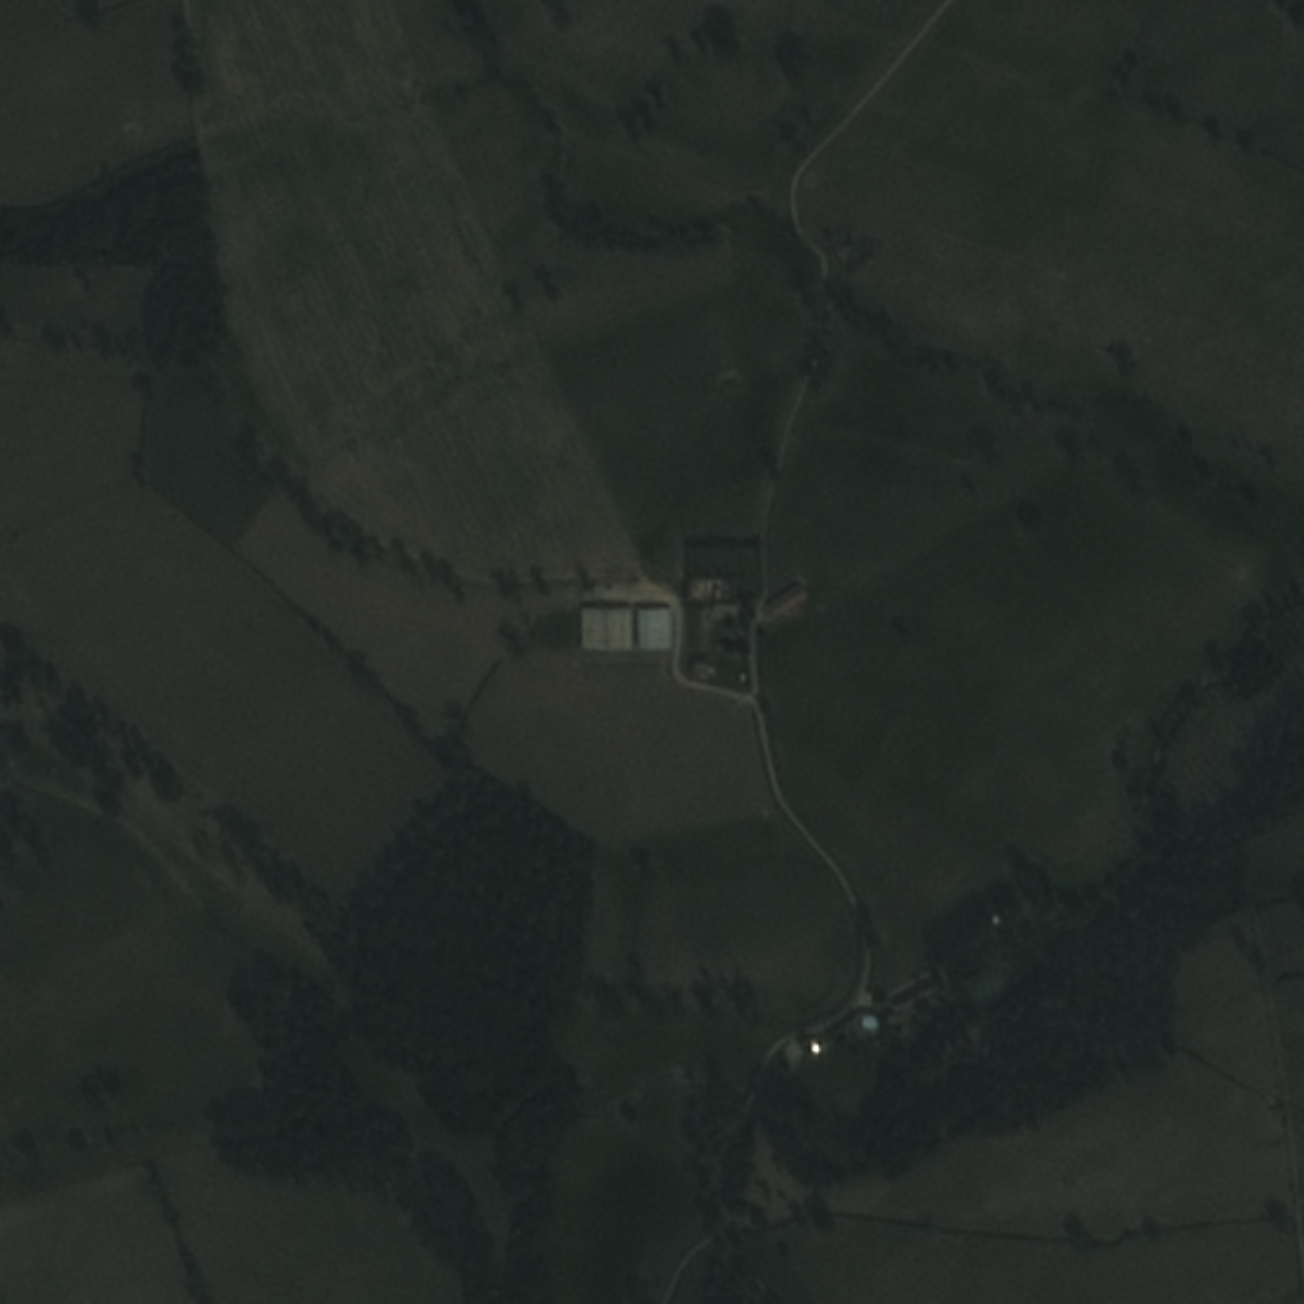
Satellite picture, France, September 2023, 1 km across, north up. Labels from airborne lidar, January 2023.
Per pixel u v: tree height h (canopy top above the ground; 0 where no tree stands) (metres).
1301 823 0
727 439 0
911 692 0
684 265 0
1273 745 15
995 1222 0
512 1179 17
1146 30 0
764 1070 0
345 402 0
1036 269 0
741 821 0
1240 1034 0
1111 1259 0
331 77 0
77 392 0
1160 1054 16
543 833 21
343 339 0
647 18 0
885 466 0
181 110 0
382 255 0
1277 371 0
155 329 16
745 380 0
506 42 0
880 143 0
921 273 0
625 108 0
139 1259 0
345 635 0
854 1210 0
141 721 0
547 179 0
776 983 0
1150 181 0
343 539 15
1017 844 0
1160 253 0
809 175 0
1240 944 15
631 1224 0
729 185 0
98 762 22
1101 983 19
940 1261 0
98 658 0
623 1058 0
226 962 0
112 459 0
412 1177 21
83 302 0
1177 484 0
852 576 0
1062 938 0
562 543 0
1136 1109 0
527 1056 22
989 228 0
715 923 0
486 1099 6
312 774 0
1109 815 0
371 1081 0
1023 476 0
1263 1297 0
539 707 0
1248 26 0
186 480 0
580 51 0
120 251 9
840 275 0
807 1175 11
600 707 0
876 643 0
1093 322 0
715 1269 7
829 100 0
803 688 0
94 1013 0
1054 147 0
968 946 28
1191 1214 0
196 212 11
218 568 0
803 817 0
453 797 15
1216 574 0
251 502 0
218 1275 0
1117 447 0
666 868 0
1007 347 0
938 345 0
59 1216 0
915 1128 19
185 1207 0
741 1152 10
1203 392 0
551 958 15
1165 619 0
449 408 0
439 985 22
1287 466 0
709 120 0
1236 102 0
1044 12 0
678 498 0
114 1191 0
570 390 0
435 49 0
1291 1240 0
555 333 0
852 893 0
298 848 0
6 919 0
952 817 0
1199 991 0
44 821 0
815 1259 0
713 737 0
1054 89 0
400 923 25
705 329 0
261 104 0
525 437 0
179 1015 0
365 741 0
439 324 0
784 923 0
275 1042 18
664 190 0
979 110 0
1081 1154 0
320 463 0
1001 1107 10
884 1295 0
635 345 0
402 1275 0
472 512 0
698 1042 0
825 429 0
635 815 0
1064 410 0
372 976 19
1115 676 0
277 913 0
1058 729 0
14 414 0
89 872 0
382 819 0
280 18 0
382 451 0
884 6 0
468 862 24
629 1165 0
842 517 0
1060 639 0
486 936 22
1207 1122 0
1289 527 0
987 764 0
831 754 0
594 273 0
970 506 0
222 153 0
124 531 0
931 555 0
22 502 0
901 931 0
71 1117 0
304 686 0
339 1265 0
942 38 0
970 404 0
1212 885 22
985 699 0
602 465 0
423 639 0
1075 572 0
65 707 8
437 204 0
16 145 0
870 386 0
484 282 0
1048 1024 15
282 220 0
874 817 0
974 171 0
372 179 0
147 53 0
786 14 0
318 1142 18
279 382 0
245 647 0
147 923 0
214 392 17
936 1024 13
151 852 0
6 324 18
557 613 0
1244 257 0
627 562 0
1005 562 0
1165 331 0
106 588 0
